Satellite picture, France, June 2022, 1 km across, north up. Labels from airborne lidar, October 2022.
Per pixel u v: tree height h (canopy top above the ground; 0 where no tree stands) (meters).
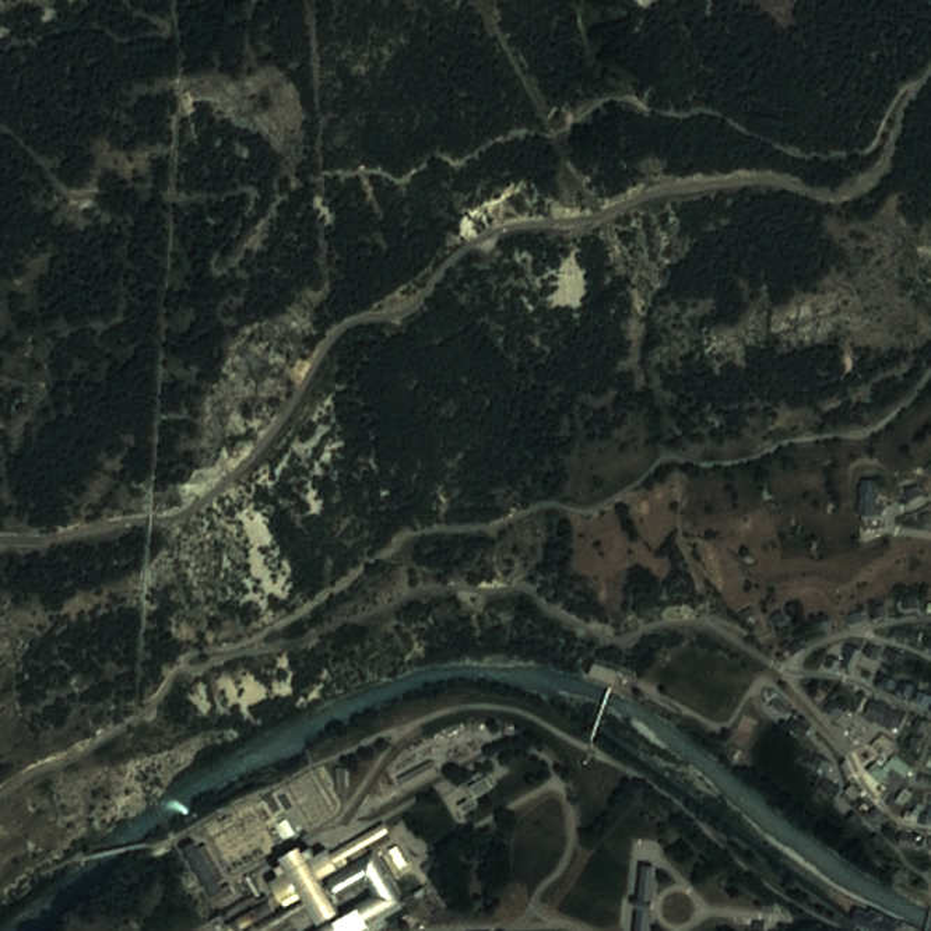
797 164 11
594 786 0
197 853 0
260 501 9
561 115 12
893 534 0
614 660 11
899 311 0
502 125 10
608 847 0
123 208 9
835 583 0
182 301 13
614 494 0
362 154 11
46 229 9
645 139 9
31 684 7
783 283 13
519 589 0
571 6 9
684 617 0
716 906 0
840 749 0
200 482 0
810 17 14
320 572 9
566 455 13
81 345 12
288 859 0
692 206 9
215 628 12
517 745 16
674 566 6
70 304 11
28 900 10
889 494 0
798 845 0
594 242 7
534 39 13
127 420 10
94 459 10
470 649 14
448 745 0
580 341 12
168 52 16
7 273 13
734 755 0
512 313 7
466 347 13
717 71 15
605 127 17
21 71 15
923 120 17
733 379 13
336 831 0
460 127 12
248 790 12
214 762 14
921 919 0
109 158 0
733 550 0
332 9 10
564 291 0
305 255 13
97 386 8
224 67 8
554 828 0
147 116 12
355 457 12
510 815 21
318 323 10
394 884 0
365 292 12
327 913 0
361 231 12
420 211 11
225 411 0
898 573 0
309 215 9
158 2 14
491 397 14
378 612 0
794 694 0
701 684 0
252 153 14
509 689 14
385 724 0
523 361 6
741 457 0
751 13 15
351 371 14
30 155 13
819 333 0
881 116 12
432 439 12
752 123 15
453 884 29
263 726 9
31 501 12
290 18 15
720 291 11
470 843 28
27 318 8
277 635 10
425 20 13
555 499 7
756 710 0
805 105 11
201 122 11
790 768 0
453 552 12
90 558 14
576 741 0
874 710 0
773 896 13
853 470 0
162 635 11
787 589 0
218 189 15
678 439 10
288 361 10
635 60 10
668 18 11
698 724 0
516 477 13
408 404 12
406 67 9
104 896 16
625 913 0
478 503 6
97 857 0
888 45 8
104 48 10
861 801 7
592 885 0
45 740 0
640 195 0
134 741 0
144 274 8
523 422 11
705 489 0
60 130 11
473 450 8
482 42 13
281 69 14
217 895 0
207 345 13
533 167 12
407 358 14
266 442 0
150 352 12
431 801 16
